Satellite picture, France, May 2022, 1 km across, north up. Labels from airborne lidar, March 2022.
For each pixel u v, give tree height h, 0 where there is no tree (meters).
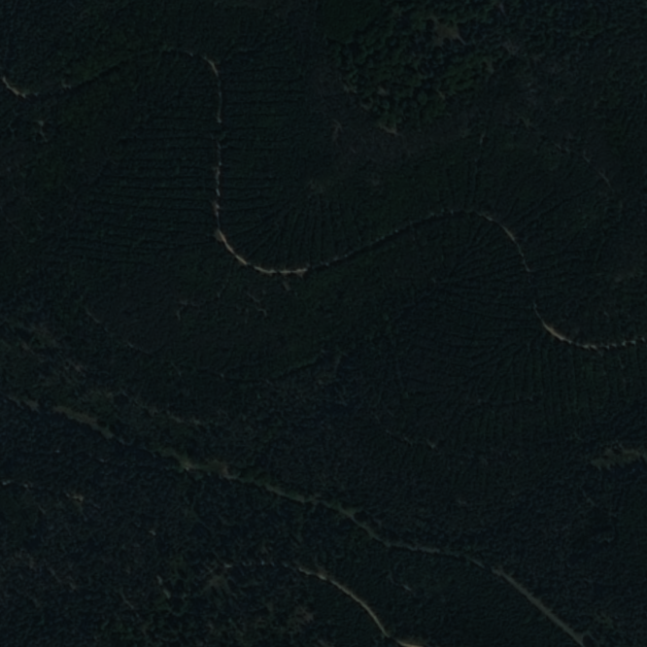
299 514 8
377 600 14
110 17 17
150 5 17
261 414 34
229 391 20
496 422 15
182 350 14
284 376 29
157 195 14
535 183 18
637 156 8
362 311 18
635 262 17
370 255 12
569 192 15
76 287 15
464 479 21
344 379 23
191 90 21
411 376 20
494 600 13
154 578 31
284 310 12
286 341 11
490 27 26
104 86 21
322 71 15
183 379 12
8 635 28
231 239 14
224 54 21
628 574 20
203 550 35
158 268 11
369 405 20
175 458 0
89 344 15
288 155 15
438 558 12
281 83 17
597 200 9
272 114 10
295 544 33
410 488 28
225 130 17
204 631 29
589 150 12
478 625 14
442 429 18
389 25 26
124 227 17
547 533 30
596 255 12
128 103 25
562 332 17
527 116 14
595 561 29
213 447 34
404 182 15
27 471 32
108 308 13
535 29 22
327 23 13
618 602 22
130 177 12
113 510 38
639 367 16
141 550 34
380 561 11
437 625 12
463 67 27
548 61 16
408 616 14
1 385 39
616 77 10
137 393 19
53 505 35
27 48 25
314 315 16
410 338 22
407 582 9
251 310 12
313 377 32
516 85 12
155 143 18
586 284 18
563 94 15
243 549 31
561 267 19
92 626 33
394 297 24
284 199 15
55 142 21
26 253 25
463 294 17
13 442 36
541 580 28
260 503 9
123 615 36
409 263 22
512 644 7
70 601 33
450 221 20
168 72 20
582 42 19
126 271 12
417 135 17
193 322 6
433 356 19
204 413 24
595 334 20
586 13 26
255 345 11
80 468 37
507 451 21
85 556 33
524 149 12
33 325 33
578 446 27
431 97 28
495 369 19
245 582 31
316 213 15
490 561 13
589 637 0
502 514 34
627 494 23
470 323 19
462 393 17
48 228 22
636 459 0
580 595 33
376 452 21
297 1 17
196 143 15
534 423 15
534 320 20
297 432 27
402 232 21
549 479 29
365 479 27
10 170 12
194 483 35
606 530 25
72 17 18
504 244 18
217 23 19
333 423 27
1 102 22
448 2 26
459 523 30
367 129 17
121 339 12
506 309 14
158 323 12
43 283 24
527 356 12
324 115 16
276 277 12
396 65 30
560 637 11
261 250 18
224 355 11
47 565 33
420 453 14
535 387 16
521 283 21
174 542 37
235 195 15
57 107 20
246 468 26
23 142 13
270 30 16
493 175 15
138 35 20
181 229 15
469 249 17
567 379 14
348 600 11
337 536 34
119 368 19
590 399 15
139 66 23
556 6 27
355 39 26
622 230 16
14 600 32
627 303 14
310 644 7
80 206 19
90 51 18
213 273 9
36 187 17
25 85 20
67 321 17
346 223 14
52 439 37
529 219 16
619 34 12
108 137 22
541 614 16
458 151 12
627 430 23
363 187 14
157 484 34
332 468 23
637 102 14
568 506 28
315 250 11
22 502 33
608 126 11
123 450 36
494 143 14
